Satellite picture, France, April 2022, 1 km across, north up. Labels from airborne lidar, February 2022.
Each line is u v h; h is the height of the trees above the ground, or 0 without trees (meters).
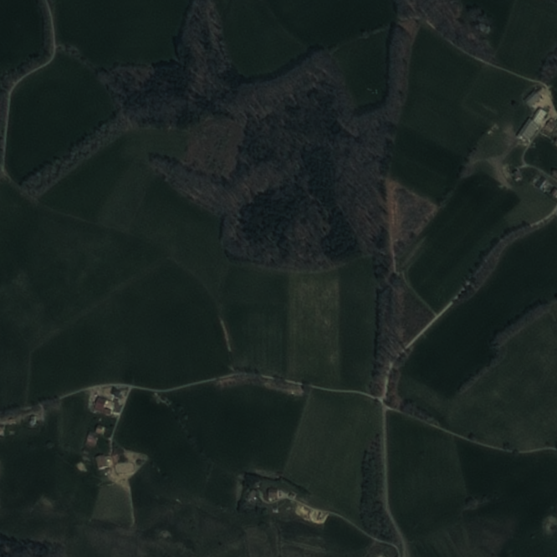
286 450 0
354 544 0
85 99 0
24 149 0
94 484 0
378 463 12
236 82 20
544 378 0
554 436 0
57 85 0
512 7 0
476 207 0
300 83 32
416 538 0
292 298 0
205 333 0
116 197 0
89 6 0
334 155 23
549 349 0
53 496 0
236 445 0
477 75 0
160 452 0
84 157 11
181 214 0
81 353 0
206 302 0
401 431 0
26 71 12
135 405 0
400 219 0
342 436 0
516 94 0
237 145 0
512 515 0
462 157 0
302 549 0
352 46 0
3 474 0
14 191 0
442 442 0
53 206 0
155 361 0
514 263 0
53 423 0
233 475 0
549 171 0
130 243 0
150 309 0
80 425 0
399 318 29
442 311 0
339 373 0
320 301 0
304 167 25
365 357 0
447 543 0
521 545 0
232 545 0
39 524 0
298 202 19
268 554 0
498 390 0
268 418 0
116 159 0
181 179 27
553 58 13
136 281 0
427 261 0
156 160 21
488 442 0
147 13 0
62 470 0
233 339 0
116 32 0
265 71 0
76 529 0
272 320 0
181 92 20
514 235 21
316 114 19
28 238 0
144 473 0
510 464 0
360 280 0
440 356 0
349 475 0
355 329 0
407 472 0
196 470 0
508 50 0
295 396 0
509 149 0
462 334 0
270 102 30
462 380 0
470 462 0
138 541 0
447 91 0
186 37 24
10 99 15
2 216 0
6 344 0
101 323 0
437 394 0
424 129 0
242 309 0
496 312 0
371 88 0
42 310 0
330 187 25
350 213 23
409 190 0
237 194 31
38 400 0
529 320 14
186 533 0
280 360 0
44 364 0
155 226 0
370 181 32
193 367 0
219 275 0
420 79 0
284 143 17
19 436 0
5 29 0
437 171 0
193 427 0
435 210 0
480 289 14
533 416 0
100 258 0
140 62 0
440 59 0
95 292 0
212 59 22
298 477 0
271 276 0
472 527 0
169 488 0
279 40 0
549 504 0
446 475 0
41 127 0
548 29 0
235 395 0
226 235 22
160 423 0
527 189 0
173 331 0
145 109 24
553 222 0
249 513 12
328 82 31
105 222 0
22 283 0
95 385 0
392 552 0
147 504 0
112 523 0
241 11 0
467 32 24
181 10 0
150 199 0
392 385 6
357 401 0
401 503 0
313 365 0
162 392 0
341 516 0
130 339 0
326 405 0
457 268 0
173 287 0
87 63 13
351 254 25
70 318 0
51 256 0
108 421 0
